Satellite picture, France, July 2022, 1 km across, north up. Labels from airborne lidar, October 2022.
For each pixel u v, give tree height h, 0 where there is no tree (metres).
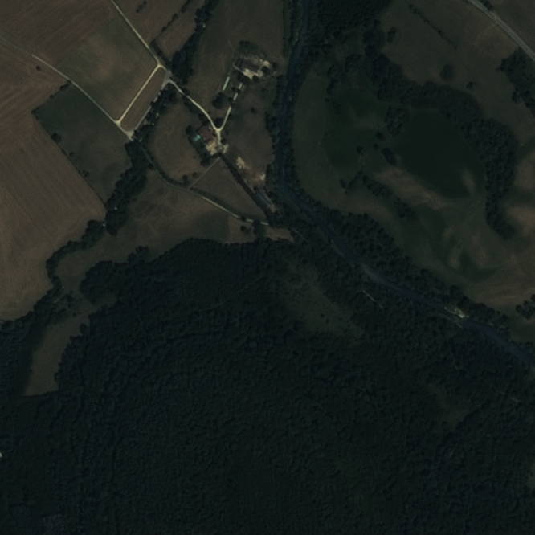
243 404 24
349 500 24
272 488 7
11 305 0
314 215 0
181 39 0
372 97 0
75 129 0
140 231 0
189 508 21
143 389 28
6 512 20
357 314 8
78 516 10
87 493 23
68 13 0
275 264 14
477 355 20
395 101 0
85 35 0
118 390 22
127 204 9
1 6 0
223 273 10
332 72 15
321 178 0
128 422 23
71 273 0
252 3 0
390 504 25
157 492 24
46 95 0
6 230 0
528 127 0
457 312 0
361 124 0
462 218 0
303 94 0
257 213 0
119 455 24
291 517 16
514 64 8
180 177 0
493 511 28
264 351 37
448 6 0
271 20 0
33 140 0
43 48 0
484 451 23
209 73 0
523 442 16
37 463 10
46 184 0
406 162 0
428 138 0
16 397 25
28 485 9
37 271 0
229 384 20
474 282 0
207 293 9
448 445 25
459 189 0
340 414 31
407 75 0
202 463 22
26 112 0
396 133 8
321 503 19
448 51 0
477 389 20
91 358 25
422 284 24
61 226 0
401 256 23
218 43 0
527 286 0
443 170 0
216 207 0
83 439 22
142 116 0
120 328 24
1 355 23
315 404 26
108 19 0
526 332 0
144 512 18
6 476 17
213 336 23
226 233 0
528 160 0
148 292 26
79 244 13
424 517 30
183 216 0
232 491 7
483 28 0
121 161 0
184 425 13
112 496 24
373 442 29
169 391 15
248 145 0
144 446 11
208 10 12
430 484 33
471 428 20
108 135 0
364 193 0
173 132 0
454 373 27
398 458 29
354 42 0
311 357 27
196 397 21
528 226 0
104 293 8
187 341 20
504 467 22
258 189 10
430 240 0
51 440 22
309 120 0
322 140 0
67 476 23
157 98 0
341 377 25
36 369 0
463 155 0
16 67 0
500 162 21
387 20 0
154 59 0
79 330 0
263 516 9
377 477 25
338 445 22
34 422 10
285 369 29
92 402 23
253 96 0
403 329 13
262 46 0
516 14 0
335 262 12
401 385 6
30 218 0
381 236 19
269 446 26
